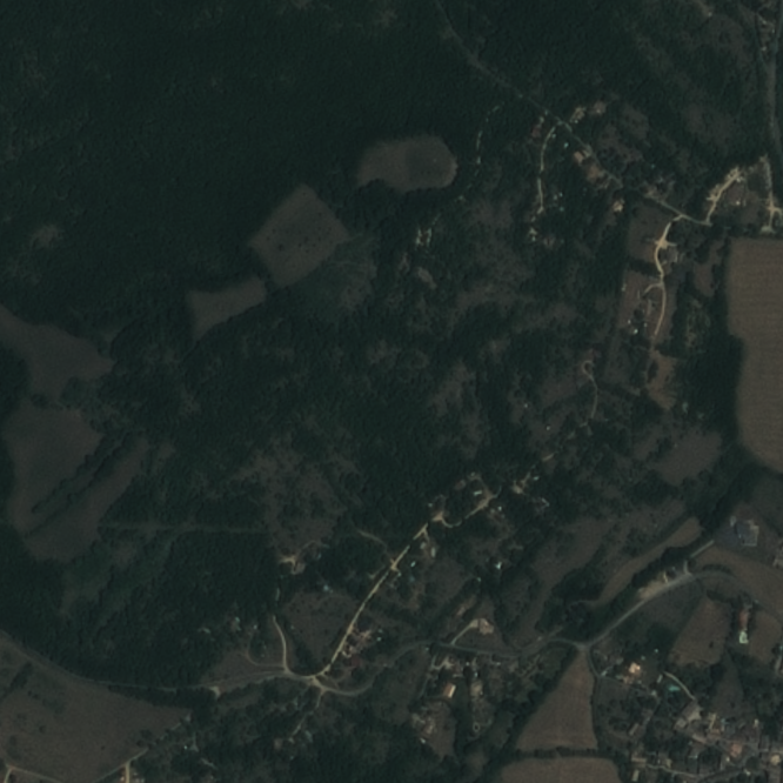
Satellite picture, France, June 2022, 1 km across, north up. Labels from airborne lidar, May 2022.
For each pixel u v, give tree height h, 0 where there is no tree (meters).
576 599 12
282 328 9
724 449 10
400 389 9
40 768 0
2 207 9
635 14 7
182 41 8
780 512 0
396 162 0
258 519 9
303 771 11
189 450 8
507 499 8
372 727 9
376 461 11
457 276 6
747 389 0
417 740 9
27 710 0
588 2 7
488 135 6
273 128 10
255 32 9
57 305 13
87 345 0
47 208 8
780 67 9
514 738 7
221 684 0
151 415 10
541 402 6
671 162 11
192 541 7
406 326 8
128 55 8
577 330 7
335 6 7
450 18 9
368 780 9
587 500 7
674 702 12
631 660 5
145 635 8
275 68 7
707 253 10
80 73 8
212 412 7
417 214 9
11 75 9
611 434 9
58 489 8
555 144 8
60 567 10
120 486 0
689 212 7
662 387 0
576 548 0
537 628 8
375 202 10
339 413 6
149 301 14
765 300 0
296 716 7
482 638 0
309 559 8
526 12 11
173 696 12
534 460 8
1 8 11
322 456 7
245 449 6
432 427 7
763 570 0
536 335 8
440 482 11
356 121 9
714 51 9
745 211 0
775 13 8
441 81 7
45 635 9
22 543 7
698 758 7
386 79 7
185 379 7
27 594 11
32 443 0
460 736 8
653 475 8
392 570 7
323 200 11
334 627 0
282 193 10
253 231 14
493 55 8
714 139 6
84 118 9
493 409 9
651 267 12
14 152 7
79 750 0
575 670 0
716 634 0
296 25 7
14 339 0
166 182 14
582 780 0
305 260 0
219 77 6
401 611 6
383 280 11
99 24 7
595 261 6
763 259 0
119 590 7
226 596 10
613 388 6
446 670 10
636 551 11
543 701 11
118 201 11
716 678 13
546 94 7
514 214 6
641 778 7
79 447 0
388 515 9
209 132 9
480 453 6
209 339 9
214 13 8
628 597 0
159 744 7
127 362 7
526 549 8
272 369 7
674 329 7
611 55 8
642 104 9
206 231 10
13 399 11
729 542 0
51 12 10
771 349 0
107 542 7
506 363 6
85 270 10
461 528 8
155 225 11
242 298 0
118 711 0
